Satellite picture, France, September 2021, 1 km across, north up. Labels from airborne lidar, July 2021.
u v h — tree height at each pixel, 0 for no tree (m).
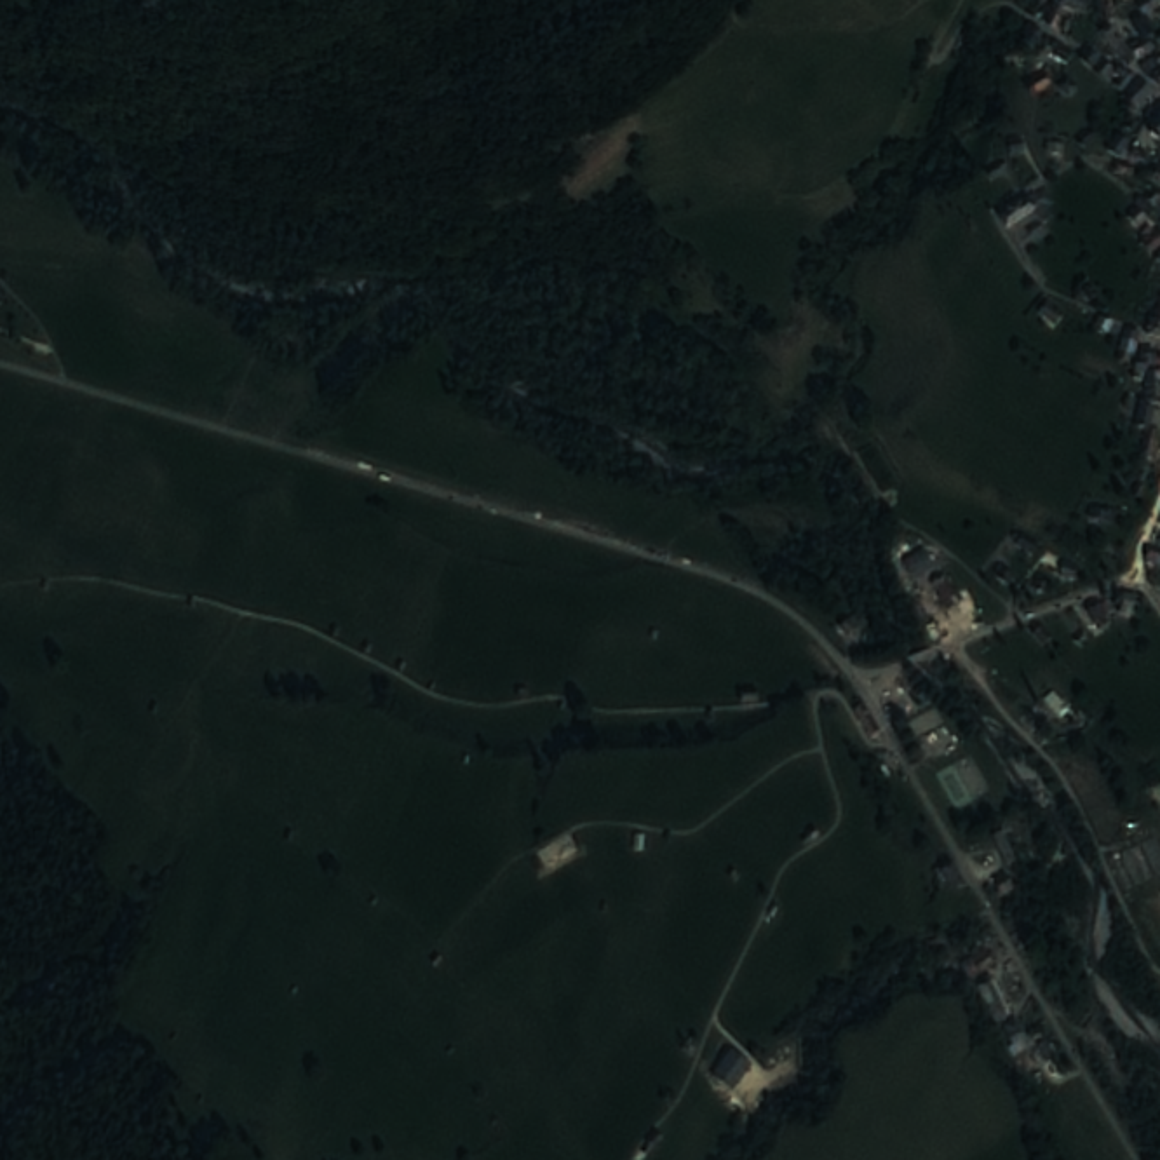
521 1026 0
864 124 0
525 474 0
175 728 0
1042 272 0
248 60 23
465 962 0
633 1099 0
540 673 0
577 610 0
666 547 0
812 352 0
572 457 14
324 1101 0
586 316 11
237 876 0
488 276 13
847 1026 18
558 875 0
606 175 0
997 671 0
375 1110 0
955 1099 0
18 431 0
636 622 0
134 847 0
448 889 0
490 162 19
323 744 0
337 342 12
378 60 21
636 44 30
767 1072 0
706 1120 0
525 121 16
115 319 0
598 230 19
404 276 16
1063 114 0
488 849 0
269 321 23
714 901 0
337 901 0
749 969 0
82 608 0
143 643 0
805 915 0
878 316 0
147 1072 20
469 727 0
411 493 0
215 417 0
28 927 34
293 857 0
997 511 0
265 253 15
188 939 0
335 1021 0
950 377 0
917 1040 0
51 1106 26
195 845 0
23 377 0
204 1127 0
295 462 0
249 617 0
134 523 0
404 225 14
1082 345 0
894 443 0
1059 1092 0
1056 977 9
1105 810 0
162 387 0
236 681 0
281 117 21
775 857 0
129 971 17
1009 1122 0
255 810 0
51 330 0
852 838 0
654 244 21
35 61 22
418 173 14
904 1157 0
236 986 0
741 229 0
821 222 0
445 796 0
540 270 30
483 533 0
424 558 0
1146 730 0
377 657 0
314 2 19
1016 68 7
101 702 0
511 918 0
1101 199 0
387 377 0
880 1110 0
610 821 0
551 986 0
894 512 10
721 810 0
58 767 17
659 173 0
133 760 0
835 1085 22
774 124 0
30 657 0
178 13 25
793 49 0
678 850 0
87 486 0
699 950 0
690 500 0
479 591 0
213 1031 0
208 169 26
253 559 0
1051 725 13
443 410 0
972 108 20
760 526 0
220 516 0
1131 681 0
